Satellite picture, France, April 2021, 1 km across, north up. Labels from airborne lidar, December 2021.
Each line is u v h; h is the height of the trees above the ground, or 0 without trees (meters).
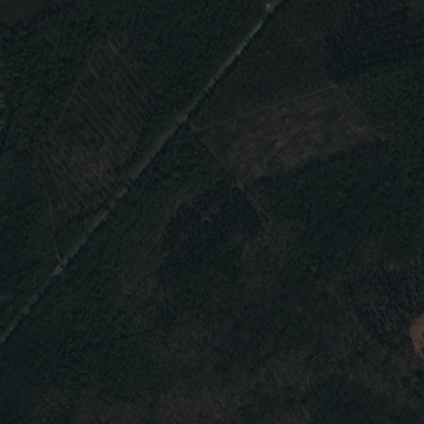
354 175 26
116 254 21
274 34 21
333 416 30
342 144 0
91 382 22
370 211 27
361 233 28
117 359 24
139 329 17
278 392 22
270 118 0
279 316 25
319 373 24
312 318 27
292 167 0
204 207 23
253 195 19
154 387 24
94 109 0
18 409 13
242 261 20
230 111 20
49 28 24
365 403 14
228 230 25
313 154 0
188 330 15
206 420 18
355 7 18
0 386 21
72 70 24
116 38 22
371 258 26
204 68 18
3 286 12
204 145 22
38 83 23
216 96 18
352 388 28
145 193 24
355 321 21
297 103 0
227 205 21
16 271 21
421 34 26
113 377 24
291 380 24
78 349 22
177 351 17
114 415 24
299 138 0
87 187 0
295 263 23
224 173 17
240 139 0
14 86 20
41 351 17
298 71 19
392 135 24
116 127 0
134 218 24
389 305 8
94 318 24
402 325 8
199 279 17
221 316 25
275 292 26
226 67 0
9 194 24
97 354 24
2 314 21
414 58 14
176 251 14
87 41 25
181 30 22
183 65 19
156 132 18
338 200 19
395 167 27
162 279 23
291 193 18
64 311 19
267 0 24
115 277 18
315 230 19
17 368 20
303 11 20
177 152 16
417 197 26
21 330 19
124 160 0
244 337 28
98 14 22
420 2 20
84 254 16
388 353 16
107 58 6
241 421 13
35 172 16
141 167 0
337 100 0
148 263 16
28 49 25
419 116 23
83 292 25
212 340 22
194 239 20
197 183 17
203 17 18
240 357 23
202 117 19
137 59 21
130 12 20
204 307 16
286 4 21
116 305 20
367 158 21
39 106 23
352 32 24
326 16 21
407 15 25
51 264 13
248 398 17
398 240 23
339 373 28
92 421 19
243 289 26
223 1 22
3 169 24
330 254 16
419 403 23
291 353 26
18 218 10
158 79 21
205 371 29
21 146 20
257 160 0
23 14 0
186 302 18
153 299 6
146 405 21
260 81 9
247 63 17
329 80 22
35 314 11
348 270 19
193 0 22
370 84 21
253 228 22
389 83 19
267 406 12
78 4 21
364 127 0
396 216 26
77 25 28
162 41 20
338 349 24
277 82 19
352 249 26
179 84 20
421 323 0
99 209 7
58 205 0
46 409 16
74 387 18
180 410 24
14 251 17
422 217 19
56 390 16
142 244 17
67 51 29
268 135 0
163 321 16
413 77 17
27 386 15
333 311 24
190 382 25
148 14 18
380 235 28
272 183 20
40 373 16
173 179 23
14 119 16
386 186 26
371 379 25
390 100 23
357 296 23
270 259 17
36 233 23
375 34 15
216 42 21
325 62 17
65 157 0
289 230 16
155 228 20
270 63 18
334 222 27
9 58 20
